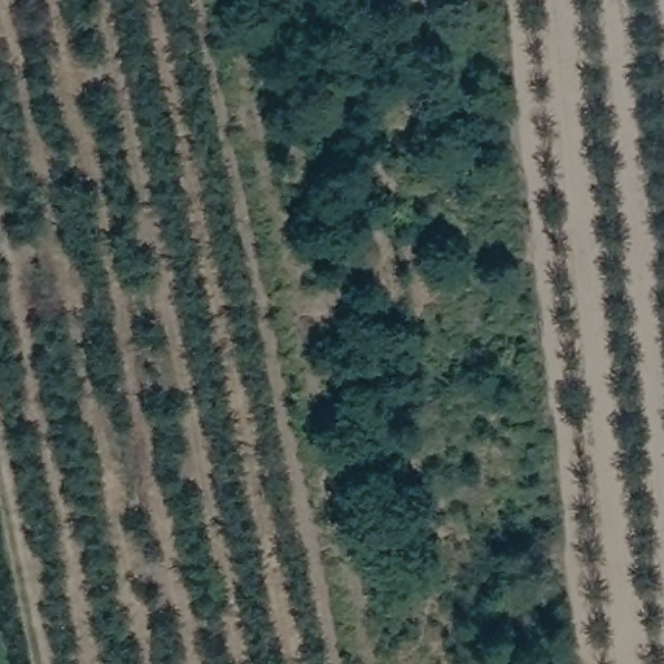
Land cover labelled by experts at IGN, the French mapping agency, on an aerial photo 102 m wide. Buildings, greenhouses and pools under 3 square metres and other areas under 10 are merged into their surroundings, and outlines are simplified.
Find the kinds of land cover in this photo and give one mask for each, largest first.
<instances>
[{"label":"deciduous trees","instance_id":"1","mask_svg":"<svg viewBox=\"0 0 664 664\"><path fill-rule=\"evenodd\" d=\"M10 13L23 49V73L29 83L34 122L49 150L70 153L78 150V143L62 119L57 96L52 93L54 78L49 60L57 57V44L49 29L47 0H13ZM99 10L96 0H60V13L70 36V49L75 60L83 65L104 62V39L93 18ZM114 31L119 39L117 54L130 88L143 163L148 169V200H137L135 184L127 176L125 135L117 119V93L112 78L106 75L83 83L78 93V109L96 137L101 179L91 182L80 169H73L67 161L54 158L49 161L47 176L39 179L31 171L23 114L16 99L13 65L8 62V44L0 36V202L5 210V231L13 246L31 244L42 233V210L52 205L57 213V241L83 280V306L65 309L62 296L57 291V275L52 270V262L31 257V267L23 275L21 288L29 296L26 322L34 342L31 363L39 381V405L44 407L49 423V444L54 451L57 469L62 475L60 488L65 501L70 503L73 540L80 545L83 589L91 602L88 620L91 633L99 643L101 664H140V646L130 630L127 607L117 599V552L114 545L106 540L101 459L96 451L93 431L80 415L83 384L70 361L78 350H86V371L96 389V402L104 405L117 433H127L132 428L127 397L125 389H119L122 358L114 335V303L96 246L99 241L109 239V249L122 288H143L150 280H158L153 249L137 241L135 215L140 208L156 210L161 220V239L166 241L169 252V267L174 272V306L182 324L184 358L192 374L200 425L210 444V485L218 503L215 524L228 545L231 563L236 571L239 628L246 643V664H285L275 625L270 620L267 586L262 576V550L241 485L244 464L233 438V415L228 407L220 348L213 342L205 280L197 267L200 249L189 228V200L182 189L176 130L158 78L145 0H109ZM161 18L169 34V57L174 62V78L182 93V117L189 127V150L200 171V195L210 228L213 262L218 267V285L226 296L223 309L236 345L241 384L246 389L249 410L257 425L259 485L275 521V555L285 573V591L291 602V615L301 633L298 648L303 664H327L316 607L311 599L306 547L296 532L291 480L285 472L283 444L272 412V389L265 371V342L257 329V298L246 270L244 244L236 231L231 179L220 150L226 145H233L239 158L249 223L254 233V252L259 259V275L267 296L285 291V270L280 267V252H285L288 246L301 265H309V270L301 275V288L314 293L342 291V283L348 280L350 270H371L376 265L379 249L374 241V231H384L389 241L394 239L415 246L418 236L436 218H446L451 226H457L469 239V246L459 252L454 241H446L444 252H428V259L418 265V272L423 275L431 291H451L457 285H467L469 275L477 267V254L488 244H503L511 254L521 259H524L529 236V208L524 197L527 184L521 176V166L511 145V127L519 114L514 83L503 86L498 78L482 73L477 93L472 96L462 91V70H436V62L451 60L449 47L444 52H397L399 42H412L420 34V26H428L438 36L444 34V29L467 31L472 26V13L477 8H472L467 0H215L208 13V36H197V13L189 0H158ZM205 44L210 47L218 62L220 88L236 80L233 57L249 60L252 93L257 96L259 117L265 122V140H252L244 130L239 135H226L218 140L208 67L200 62V47ZM397 104L410 106L407 127L386 132L384 117ZM322 148L345 150L355 163V171L335 176L322 187L311 189L309 208L306 213H301L298 220V241L288 244V239L283 236V226L288 220L285 208L296 197V184L303 179L306 161L316 158ZM519 16L524 29H545L547 10L542 0H519ZM581 21L578 42L584 52L604 47V36L599 29V0H573ZM633 13L628 34L635 47V60L630 62L628 83L635 96V122L641 132L638 153L641 166L646 171L651 231L664 244V0H628ZM584 150L589 169L594 174L591 195L599 205L594 231L602 244L599 270L604 275V314L610 322V389L617 399L612 428L620 444L617 467L623 472V485L628 493V545L633 550L630 576L635 594L643 604L648 654L641 661L646 664H664V589L654 578L651 495L646 490L648 428L641 405L633 306L625 296V223L620 215V195L615 184L620 153L612 145L615 112L604 101L607 70L589 65L581 67ZM540 213L545 223H560L565 218L563 192L555 187L540 192ZM23 368L18 353V335L10 319L8 262L0 254V415L10 451L18 511L23 516V537L29 550L42 563L39 612L44 617L52 664H78V641L70 617V602L65 594V563L60 555L57 511L49 498L44 464L39 457V431L23 415ZM550 283L555 296L571 291L568 267L552 265ZM394 298H389L386 288L379 283L374 288V296L361 298L353 306L350 316L342 322L340 345L327 350V355L314 363L303 358L306 332L291 327L280 311L275 319H270V327L278 337L280 374L285 379L288 423L298 438V459L303 464V485L314 516L322 511L327 501V477H337L342 472L353 464L374 462L386 454H399L410 462L423 444L418 436V423L412 418L423 410V381H410L399 389L363 394L345 392L342 405L337 410V420L327 433L306 431L309 402H293V394L301 392V379L309 371L319 376L322 384H342L350 379H374L386 371L412 374L423 368L418 355L425 350L428 329L425 322L418 316L412 311L402 314L399 309H394ZM558 329H573L576 319L571 303H560L555 306ZM132 345L163 350L166 332L158 316L148 309L140 316H132ZM540 345L529 342L527 337L493 335L488 345L472 340L464 361H449V368L433 381V397H441L444 392L449 397H459L472 392L495 412L506 405L508 392H521L519 379L506 374L498 358L506 350H514V361L521 363V355L534 353ZM558 402L565 420L576 428L584 423L591 407V397L581 379H563L558 381ZM140 407L153 433V477L163 493V503L174 521V568L182 576L184 589L189 591L192 615L197 617L195 641L202 664H233L223 635L226 584L218 563L210 555V542L202 524L200 488L192 480L182 477V462L187 457V438L182 428V418L187 412L184 394L182 389L148 386L140 389ZM573 475L581 485L589 482L591 462L584 451V438H573ZM457 446H446L438 457V467L415 488L394 485V480L386 475H371L366 485L350 488L340 506L353 516L340 521L337 545L348 552L350 565L361 576L363 591L368 597L366 633L376 643L374 654L394 656L405 641L418 638V617H412L415 607H420L428 597L438 602L441 594L454 591L459 565L469 560V540H459L457 534L438 537L436 532L446 519L454 516L464 524V529L472 537L477 532V521L472 519L469 506L464 501H451L446 508H438L436 501L446 490L477 482L480 464L475 454H464L459 464H449ZM125 532L132 534L145 560L156 563L161 558V545L156 532L150 529L148 511L125 508ZM521 532L529 534L532 545L521 555L506 558L501 563L498 589H493V594L482 604L485 615L506 612L519 617L521 612L547 604L555 594L565 589L563 524L555 527L547 519H532ZM0 664H29L26 635L16 607V589L0 527ZM573 547L581 552L584 563H597L602 555L599 537H586ZM586 599L607 602V586L602 578H597L586 581L584 586ZM150 664H184L176 610L169 604L148 617ZM589 638L594 646H607L610 623L604 612H594L589 617ZM441 643L451 664H578L573 623L565 630H558L555 638H542L532 651L524 654L511 643L488 646L477 635L475 625L454 623L441 633Z\"/></svg>","mask_w":664,"mask_h":664},{"label":"herbaceous vegetation","instance_id":"2","mask_svg":"<svg viewBox=\"0 0 664 664\"><path fill-rule=\"evenodd\" d=\"M13 0H0V36L8 44V62L13 65L16 99L23 114L31 171L39 179L47 176L49 161L54 158L67 161L73 169H80L91 182L101 179L96 137L78 109V93L83 83L106 75L112 78L117 93V119L125 135L127 176L135 184L137 200H148V169L143 163L130 88L117 54L119 39L114 31L109 0H96L99 10L93 18L104 39V62L83 65L75 60L70 49V36L60 13V0H47L49 29L57 44V57L49 60L54 78L52 93L57 96L62 119L78 143V150L70 153L49 150L34 122L29 83L23 73V49L10 13ZM158 78L176 130L182 189L189 200V228L200 249L197 267L205 280L213 342L220 348L228 407L233 415V438L244 464L241 485L262 550V576L267 586L270 620L275 625L285 664H303L298 648L301 633L291 615V602L285 591V573L275 555V521L259 485L257 425L249 410L246 389L241 384L236 345L223 309L226 296L218 285V267L213 262L210 228L200 195V171L189 150V127L182 117V93L174 78V62L169 57V34L161 18L158 0H145ZM197 13V36H208V13L215 0H189ZM547 10L545 29H524L519 16V0H506L514 83L519 114L511 127V145L521 166V176L527 184L524 197L529 208V236L524 259L534 267V293L540 303L542 353L547 376L545 412L555 425L558 457L545 462L540 475L516 477V469L501 457V446L482 441L475 454L480 464L477 482L446 490L436 501L438 508H446L451 501H464L469 506L472 519L477 521V532L472 537L464 529V524L454 516L446 519L436 532L438 537L457 534L459 540H469V560L459 565L454 591L441 594L438 602L444 610L451 612L454 623L475 625L477 635L488 646L511 643L524 654L532 651L542 638H555L558 630H565L573 623L578 664H646L641 661L648 654L643 604L635 594L630 576L633 550L628 545V493L623 485V472L617 467L620 444L612 428L617 399L610 389V322L604 314V275L599 270L602 244L594 231L599 205L591 195L594 174L589 169L584 150L581 67L589 65L607 70L604 101L615 112L612 145L620 153L615 184L620 195V215L625 223V296L633 306L641 405L648 428L646 490L651 495L654 578L664 589V244L651 231L646 171L641 166L638 153L641 132L635 122V96L628 83L630 62L635 60V47L628 34L633 13L628 0H599V29L604 36V47L584 52L578 42L581 21L573 0H542ZM555 187L563 192L565 218L560 223H545L540 213V192ZM552 265L568 267L571 291L555 296L550 283ZM560 303H571L576 319L573 329H558L555 306ZM563 379H581L591 397V407L584 423L576 428L565 420L558 402V381ZM573 438H584V451L591 462L589 482L581 485L573 475ZM532 519H547L555 527L563 524L565 589L555 594L547 604L521 612L519 617L506 612L485 615L482 604L493 594V589H498L501 563L506 558L521 555L532 545L529 534L521 532ZM586 537H599L602 555L597 563H584L581 552L573 547ZM597 578H602L607 586V602L586 599L584 586L586 581ZM594 612H604L610 623L607 646H594L589 638V617ZM200 62L208 67L218 140L226 135H239L244 130L252 140H265V122L259 117L257 96L252 93L249 60L233 57L236 80L220 88L218 62L210 47L205 44L200 47ZM410 106L397 104L384 117L386 132L407 127ZM231 179L236 231L244 244L246 270L257 298V329L265 342V371L272 389V412L283 444L285 472L291 480L296 532L306 547L311 599L316 607L327 664H342L337 654V633L329 610L324 565L319 558V524L314 516L303 485V464L298 459V438L288 423L285 379L280 374L278 337L270 327V319H275L280 311L291 327L306 332L303 358L314 363L327 355V350L340 345L342 322L350 316L353 306L361 298L374 296V288L379 283L386 288L389 298H394V309H399L402 314L412 311L418 316L425 311V303H431V291L423 275L418 272V265L428 259V252H444L446 241H454L459 252L469 246V239L457 226H451L446 218H436L418 236L415 246L394 239L389 241L384 231H374V241L379 249L376 265L371 270H350L348 280L342 283V291L314 293L301 288V275L309 270V265H301L288 246L285 252H280V267L285 270V291L267 296L259 275V259L254 252V233L249 223L239 158L233 145H226L220 150ZM355 171V163L345 150L322 148L316 158L306 161L303 179L296 184V197L285 208L288 220L283 226V236L288 239V244L298 241V220L301 213H306L309 208L311 189L322 187L335 176ZM5 210L0 202V254L8 262L10 319L18 335V353L23 368V415L39 431V457L44 464L49 498L57 511L60 555L65 563V594L70 602V617L78 641V664H101L99 643L91 633L88 620L91 602L83 589L80 545L73 540L70 503L65 501L60 488L62 475L57 469L54 451L49 444V423L44 407L39 405V381L31 363L34 342L26 322L29 296L21 288L23 275L31 267V257L52 262V270L57 275V291L62 296L65 309L83 306V280L57 241V213L52 205L42 210V233L31 244L13 246L5 231ZM137 241L153 249L158 280H150L143 288H122L109 249V239L99 241L96 246L114 303V335L122 358L119 389H125L127 397L132 428L127 433H117L104 405L96 402V389L86 371V350H78L70 361L83 384L80 415L93 431L96 451L101 459L106 540L114 545L117 552V599L127 607L130 630L140 646V664H150L148 617L169 604L176 610L184 664H202L195 641L197 617L192 615L189 591L184 589L182 576L174 568V521L163 503V493L153 477V433L140 407V389L148 386L182 389L184 394L187 412L182 418V428L187 438V457L182 462V477L192 480L200 488L202 524L210 542V555L218 563L226 584L223 635L233 664H246V643L239 628L236 571L231 563L228 545L215 524L218 503L210 485V444L200 425L192 374L184 358L182 324L174 306V272L169 267V252L166 241L161 239V220L156 210L140 208L135 215ZM148 309L158 316L166 332L163 350L132 345V316H140ZM125 508L148 511L150 529L156 532L161 545V558L156 563L145 560L132 534L125 532ZM521 259L511 254L503 244H488L477 254V267L485 272H498L516 267ZM423 368L412 374L386 371L374 379H350L342 384H322L319 376L309 371L301 379V392L293 394V402H309L306 431L327 433L337 420V410L342 405L345 392L363 394L399 389L410 381H423ZM438 467V457H428L420 467H412L410 462L399 454H386L374 462L353 464L342 472L345 485L350 488L366 485L371 475H386L394 480V485L415 488Z\"/></svg>","mask_w":664,"mask_h":664},{"label":"brushwood","instance_id":"3","mask_svg":"<svg viewBox=\"0 0 664 664\"><path fill-rule=\"evenodd\" d=\"M472 8H477L472 13V26L467 31L444 29V34L438 36L428 26H420V34L412 42H399L397 52H444L449 47L451 60L436 62V70H462V91L472 96L477 93L482 73L498 78L503 86L514 83L506 0H467ZM425 322L428 329L425 350L418 355L423 368V410L412 418L418 423V436L423 444L410 462L412 467H420L428 457H438L446 446H457L449 464H459L464 454H475L482 441L501 446V457L516 469V477L540 475L545 462L558 457L555 425L545 412L547 376L542 353L540 303L534 293V267L524 259H521L516 267L498 272H485L477 267L469 275L467 285H457L451 291H431V303H425V311L418 316ZM493 335L527 337L529 342L540 345L534 353L521 355V363L514 361V350H506L498 358L506 374L519 379L521 392H508L506 405L495 412L472 392L459 397H449L444 392L441 397H433V381L449 368V361H464L472 340L488 345ZM350 488L345 485L342 472L337 477H327V501L322 511L314 516L319 524V558L324 565L329 610L337 633V654L342 664H451L441 643V633L454 623L451 612L444 610L438 602L428 597L420 607H415L412 617H418V638L405 641L394 656L374 654L376 643L366 633L368 597L363 591L361 576L350 565L348 552L337 545L340 521L353 516L340 506Z\"/></svg>","mask_w":664,"mask_h":664},{"label":"pervious surface","instance_id":"4","mask_svg":"<svg viewBox=\"0 0 664 664\"><path fill-rule=\"evenodd\" d=\"M0 527L16 589V607L26 635L29 664H52L44 617L39 612L42 563L29 550L23 537V516L18 511L10 451L0 415Z\"/></svg>","mask_w":664,"mask_h":664}]
</instances>
